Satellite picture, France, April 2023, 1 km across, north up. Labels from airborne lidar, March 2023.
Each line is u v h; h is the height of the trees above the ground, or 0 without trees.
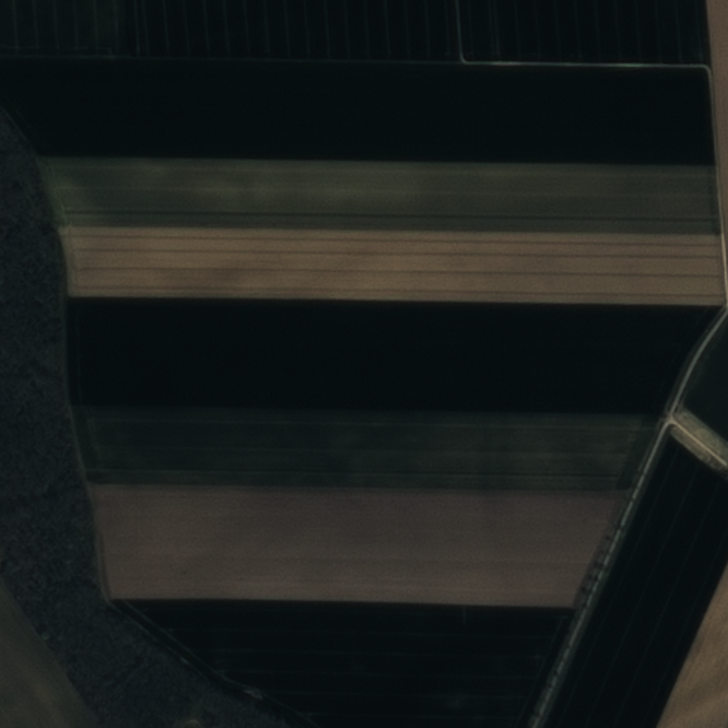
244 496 0
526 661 0
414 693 0
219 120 0
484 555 0
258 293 0
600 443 0
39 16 0
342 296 0
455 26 0
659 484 0
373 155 0
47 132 0
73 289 0
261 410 0
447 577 0
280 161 0
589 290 0
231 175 0
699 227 0
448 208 0
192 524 0
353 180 0
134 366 0
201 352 0
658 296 0
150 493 0
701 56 0
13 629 0
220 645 0
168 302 0
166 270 0
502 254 0
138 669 23
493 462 0
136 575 0
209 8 0
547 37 0
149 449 0
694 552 0
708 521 0
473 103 0
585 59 0
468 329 0
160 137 0
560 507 0
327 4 0
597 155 0
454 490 0
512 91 0
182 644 0
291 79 0
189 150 0
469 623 0
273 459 0
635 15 0
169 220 0
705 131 0
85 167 0
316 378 0
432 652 0
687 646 0
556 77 0
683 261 0
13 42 0
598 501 0
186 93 0
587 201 0
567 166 0
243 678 0
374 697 0
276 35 0
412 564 0
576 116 0
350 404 0
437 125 0
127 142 0
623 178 0
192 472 0
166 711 27
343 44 0
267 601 0
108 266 0
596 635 0
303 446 0
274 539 0
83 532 17
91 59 0
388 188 0
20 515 20
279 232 0
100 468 0
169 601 0
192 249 0
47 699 0
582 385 0
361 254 0
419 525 0
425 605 0
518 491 0
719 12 0
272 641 0
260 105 0
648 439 0
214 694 24
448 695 0
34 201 17
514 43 0
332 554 0
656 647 0
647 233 0
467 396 0
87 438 0
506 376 0
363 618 0
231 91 0
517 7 0
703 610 0
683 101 0
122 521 0
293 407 0
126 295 0
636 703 0
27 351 24
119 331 0
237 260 0
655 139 0
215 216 0
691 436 0
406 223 0
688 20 0
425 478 0
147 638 13
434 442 0
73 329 0
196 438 0
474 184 0
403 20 0
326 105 0
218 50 0
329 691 0
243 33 0
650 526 0
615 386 0
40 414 19
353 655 0
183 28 0
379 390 0
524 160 0
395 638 0
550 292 0
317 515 0
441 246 0
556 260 0
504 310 0
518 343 0
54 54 0
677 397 0
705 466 0
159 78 0
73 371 0
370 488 0
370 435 0
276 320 0
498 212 0
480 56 0
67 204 0
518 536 0
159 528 0
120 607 0
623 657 0
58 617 23
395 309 0
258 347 0
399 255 0
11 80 0
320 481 0
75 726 0
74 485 24
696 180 0
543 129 0
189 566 0
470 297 0
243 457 0
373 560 0
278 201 0
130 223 0
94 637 28
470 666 0
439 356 0
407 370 0
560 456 0
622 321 0
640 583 0
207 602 0
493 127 0
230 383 0
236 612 0
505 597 0
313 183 0
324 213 0
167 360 0
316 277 0
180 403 0
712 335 0
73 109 0
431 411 0
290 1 0
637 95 0
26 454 28
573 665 0
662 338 0
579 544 0
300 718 0
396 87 0
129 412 0
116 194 0
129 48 0
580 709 0
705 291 0
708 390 0
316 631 0
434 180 0
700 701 0
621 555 0
